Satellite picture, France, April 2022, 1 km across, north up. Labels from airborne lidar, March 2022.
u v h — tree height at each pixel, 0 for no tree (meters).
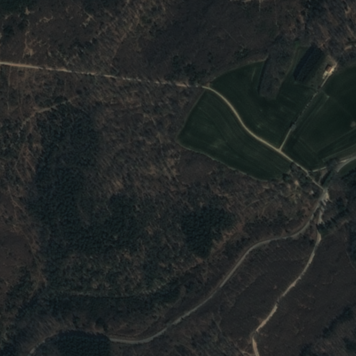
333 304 7
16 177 16
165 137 27
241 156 0
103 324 16
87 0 11
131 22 0
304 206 22
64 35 6
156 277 24
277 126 0
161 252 24
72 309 8
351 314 26
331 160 0
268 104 0
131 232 27
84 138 33
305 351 12
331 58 0
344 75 0
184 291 0
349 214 28
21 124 9
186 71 7
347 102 0
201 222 18
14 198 25
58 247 31
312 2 11
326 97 0
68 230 30
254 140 0
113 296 8
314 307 6
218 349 26
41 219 25
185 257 30
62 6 6
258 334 15
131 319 9
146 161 24
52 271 26
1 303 7
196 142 0
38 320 28
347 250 8
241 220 29
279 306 11
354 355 23
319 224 0
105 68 25
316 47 20
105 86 24
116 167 26
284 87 0
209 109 0
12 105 7
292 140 0
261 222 8
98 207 29
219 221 32
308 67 30
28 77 0
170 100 0
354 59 19
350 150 0
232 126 0
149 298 10
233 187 28
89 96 22
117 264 27
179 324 0
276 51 19
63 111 9
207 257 27
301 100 0
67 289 30
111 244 28
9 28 9
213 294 0
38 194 30
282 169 0
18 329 23
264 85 23
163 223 26
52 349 25
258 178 0
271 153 0
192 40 9
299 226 11
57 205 31
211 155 0
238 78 0
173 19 8
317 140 0
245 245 8
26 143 31
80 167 28
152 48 9
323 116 0
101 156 31
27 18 11
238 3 7
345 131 0
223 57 8
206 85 11
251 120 0
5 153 31
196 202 30
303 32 37
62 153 35
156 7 6
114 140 25
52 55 7
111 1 10
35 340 25
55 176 32
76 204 29
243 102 0
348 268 6
